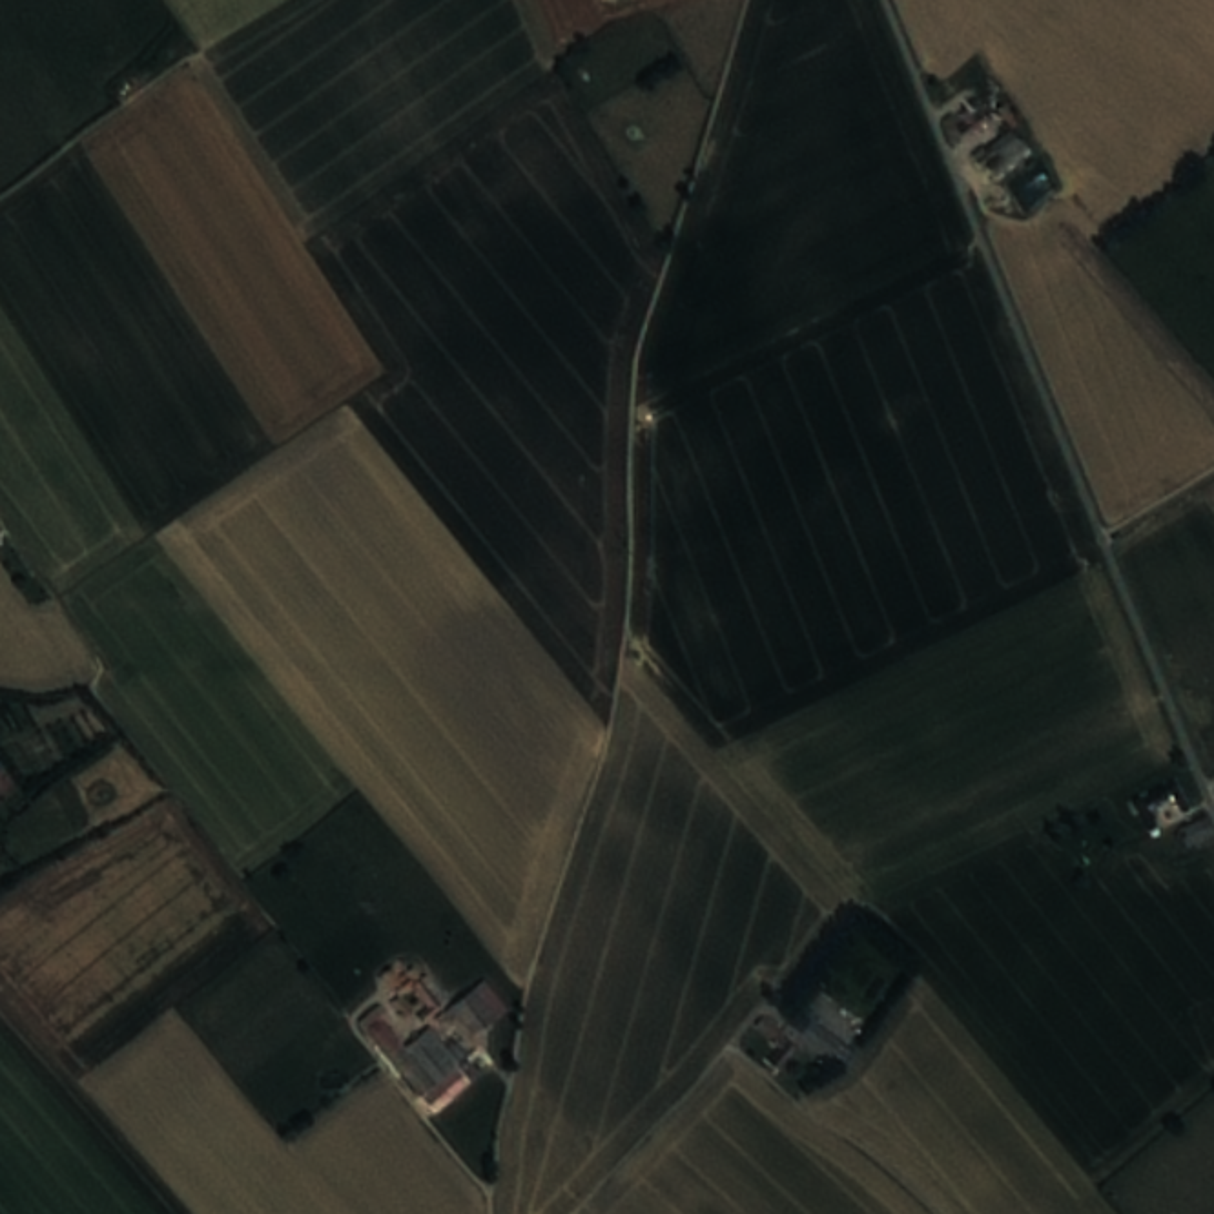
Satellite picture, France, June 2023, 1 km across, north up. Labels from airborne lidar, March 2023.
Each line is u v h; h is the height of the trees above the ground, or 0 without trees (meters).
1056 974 0
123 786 0
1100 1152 0
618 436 0
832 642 0
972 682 0
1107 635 0
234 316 0
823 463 0
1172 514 0
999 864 0
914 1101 0
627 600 0
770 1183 0
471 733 0
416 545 0
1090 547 0
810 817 0
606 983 0
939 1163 0
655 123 0
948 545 0
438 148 0
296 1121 9
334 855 0
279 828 0
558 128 0
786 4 0
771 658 0
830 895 0
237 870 0
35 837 0
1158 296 0
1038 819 0
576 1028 0
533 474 0
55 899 0
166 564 0
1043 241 0
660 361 0
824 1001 0
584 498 0
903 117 0
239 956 0
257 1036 0
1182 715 0
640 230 0
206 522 0
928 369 0
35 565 0
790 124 0
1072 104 0
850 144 0
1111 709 0
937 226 0
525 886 0
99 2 0
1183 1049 0
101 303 0
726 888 0
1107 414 0
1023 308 0
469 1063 0
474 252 0
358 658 0
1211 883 0
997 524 0
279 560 0
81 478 0
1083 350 0
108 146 0
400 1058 0
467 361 0
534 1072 0
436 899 0
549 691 0
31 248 0
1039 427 0
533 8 0
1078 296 0
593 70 0
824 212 0
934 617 0
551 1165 0
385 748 0
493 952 0
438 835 0
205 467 0
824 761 0
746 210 0
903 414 0
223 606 0
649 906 0
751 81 0
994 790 0
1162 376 0
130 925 0
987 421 0
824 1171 0
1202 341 0
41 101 0
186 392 0
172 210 0
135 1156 0
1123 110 0
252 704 0
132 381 0
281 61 0
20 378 0
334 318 0
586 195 0
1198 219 0
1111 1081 0
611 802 0
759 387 0
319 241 0
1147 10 0
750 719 0
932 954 0
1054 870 0
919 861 0
